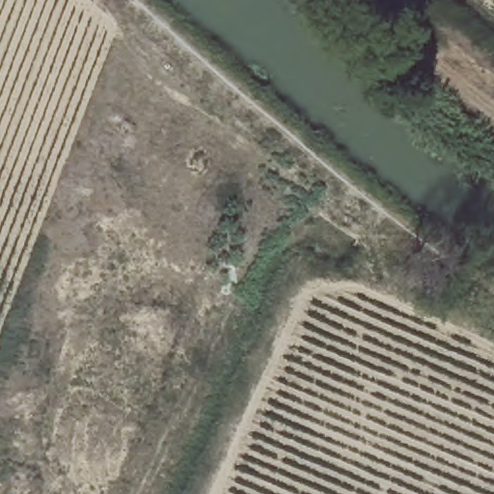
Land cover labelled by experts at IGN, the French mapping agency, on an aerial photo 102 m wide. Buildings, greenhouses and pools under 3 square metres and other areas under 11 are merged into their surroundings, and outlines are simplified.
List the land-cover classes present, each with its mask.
<instances>
[{"label":"herbaceous vegetation","instance_id":"1","mask_svg":"<svg viewBox=\"0 0 494 494\"><path fill-rule=\"evenodd\" d=\"M102 10L110 12L118 21L123 31L122 37L114 39L108 48L106 60L96 79L95 91L87 104L83 122L71 145L64 170L58 178V187L44 216L41 233L33 247L29 264L23 272L12 309L6 316L4 328L0 332V494H206L212 475L216 473L226 455L235 425L239 423L249 403L251 390L261 380L262 370L272 355V345L278 336V326L288 320L291 309L289 301L307 282L322 278L334 282H361L370 288L382 289L390 295H396L401 301H407L413 307L423 309L428 315L438 316L446 322H452L457 316L465 318L469 322V328H475L477 332L480 328H494V307H463L461 303H457L455 309L450 311L444 303H440V299H446L450 295L453 280L452 276L436 274L438 262L446 259V251L438 249L436 243H426L421 253H413L411 247L417 232L403 216L384 208L365 189L357 187L330 160L316 154L293 129H289L286 123L278 120L274 114H270L261 102H257L245 89H241L222 69L214 66L203 52H199L193 44L185 41L162 15L156 14V10L143 0H100ZM266 127L278 129L293 147L307 154L309 162H315L316 166L324 168L326 187L313 185V178H299L297 166L288 168L276 162V158L268 152L262 151L257 141L261 139L262 131Z\"/></svg>","mask_w":494,"mask_h":494},{"label":"vineyard","instance_id":"2","mask_svg":"<svg viewBox=\"0 0 494 494\"><path fill-rule=\"evenodd\" d=\"M123 31L118 21L110 12L102 10L100 0H0V332L4 328L6 316L12 309L23 272L29 264L33 247L41 233L44 216L58 187V178L64 170L71 145L83 122L87 104L95 91L96 79L106 60L108 48L114 39L122 37ZM291 309L288 320L278 326V336L272 345V355L262 370L261 380L251 390L249 403L239 423L235 425L226 455L216 473L212 475L206 494H494V328H480L477 332L475 328H469V322L465 318L457 316L452 322H446L438 316L428 315L423 309L413 307L407 301H401L396 295H390L382 289L370 288L361 282H334L322 278L307 282L289 301Z\"/></svg>","mask_w":494,"mask_h":494},{"label":"deciduous trees","instance_id":"3","mask_svg":"<svg viewBox=\"0 0 494 494\"><path fill-rule=\"evenodd\" d=\"M156 10V14L162 15L185 41L193 44L199 52H203L214 66L222 69L241 89H245L257 102H261L270 114H274L278 120L286 123L289 129H293L316 154L330 160L357 187L365 189L384 208L403 216L417 232L411 247L413 253H421L426 243H436L438 249L446 251V259L438 262L436 274L452 276L453 280L450 295L446 299H440V303H444L450 311L455 309L457 303H461L463 307H494V239L490 237V230L482 222L477 226H459L452 230L442 226L440 222L430 220V216L425 212L417 214L413 206L407 205L401 199L396 187L380 185L374 174L353 164L345 152L340 151L330 141L326 133L330 129L326 125L315 122L309 125L305 122L289 106L293 100L288 95L278 98L268 87L270 79H262L253 71L251 64H239V60L232 52L224 50L228 42L222 41L218 35L208 37L199 25L193 23L191 15L181 12L166 0H143ZM288 6L289 12L297 15L301 31L305 33L307 41L320 50V56L332 66L342 69L349 83H355L363 89L370 83H378L380 91L388 95L411 93L432 96L434 93V81L440 77L436 73V54L440 48L448 46V41L438 33L440 27H453L461 31L475 48L488 54L490 68L494 69V0H282ZM262 151L268 152L276 158V162L288 168L297 166L299 178H313V185L326 187L324 168L316 166L315 162H309L307 154L293 147L278 129L266 127L262 131L261 139L257 141ZM484 179L477 174H469L465 178L457 179L459 187L463 189H473Z\"/></svg>","mask_w":494,"mask_h":494},{"label":"water","instance_id":"4","mask_svg":"<svg viewBox=\"0 0 494 494\"><path fill-rule=\"evenodd\" d=\"M181 12L191 15L193 23L199 25L208 37L218 35L222 41L228 42L224 50L232 52L239 60V64H251L253 71L262 79H270L268 87L278 98L288 95L293 100L289 106L305 122L309 125L315 122L326 125L330 129L326 133L330 141L340 151L345 152L353 164L374 174L380 185L396 187L401 199L407 205L413 206L417 214L425 212L430 216V220L440 222L442 226L452 230L459 226H477L482 222L490 230V237L494 239V183L488 185V181L484 179L473 189H463L459 187L457 179L465 178L469 174L465 168H459L452 162L428 156L425 152V143L413 141L403 125L378 116L365 102L363 89L355 83H349L342 69L332 66L320 56V50L307 41L305 33L301 31L297 15L289 12L288 6L282 0H166Z\"/></svg>","mask_w":494,"mask_h":494},{"label":"brushwood","instance_id":"5","mask_svg":"<svg viewBox=\"0 0 494 494\"><path fill-rule=\"evenodd\" d=\"M365 102L378 116L403 125L413 141L425 143V152L428 156L452 162L459 168H465L469 174H477L484 179L488 181V185L494 183V123L482 112L475 120L467 118L457 106L442 100V91L434 93L432 96L411 93L388 95L380 91L378 83H370L363 89Z\"/></svg>","mask_w":494,"mask_h":494},{"label":"pervious surface","instance_id":"6","mask_svg":"<svg viewBox=\"0 0 494 494\"><path fill-rule=\"evenodd\" d=\"M438 33L448 41V46L440 48L436 54V73L440 77L434 81V93L442 91V100L457 106L467 118L475 120L482 112L494 123V69L490 68L488 54L475 48L461 31L453 27H440Z\"/></svg>","mask_w":494,"mask_h":494}]
</instances>
